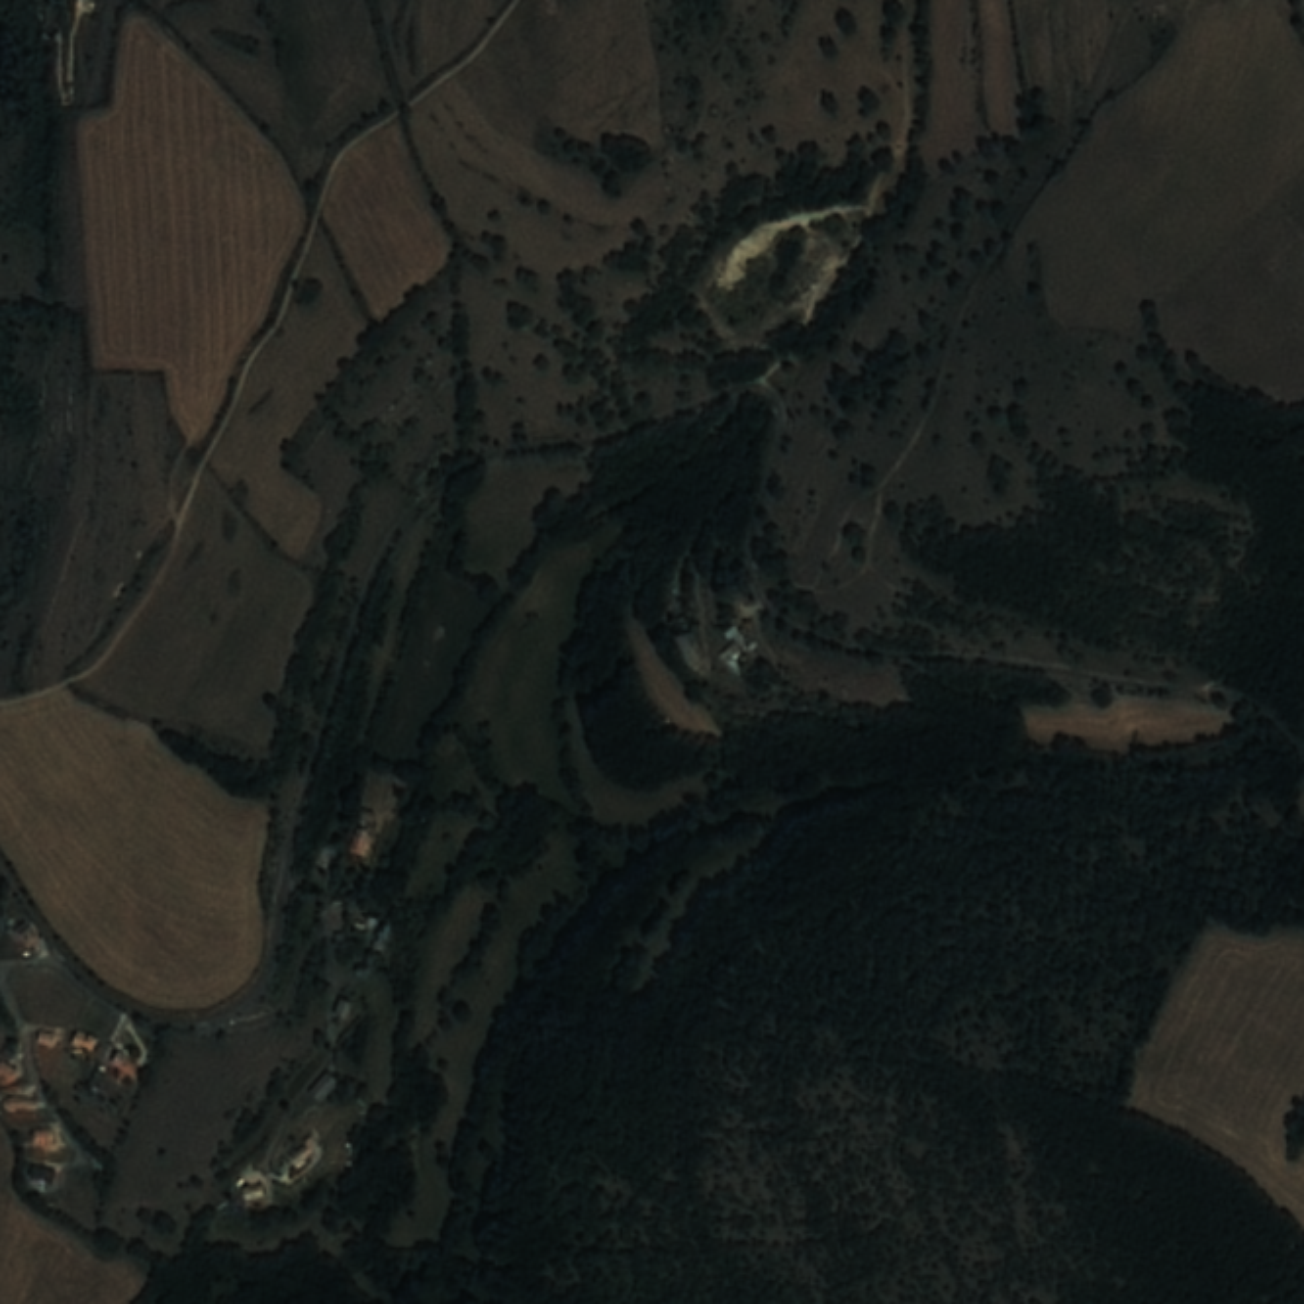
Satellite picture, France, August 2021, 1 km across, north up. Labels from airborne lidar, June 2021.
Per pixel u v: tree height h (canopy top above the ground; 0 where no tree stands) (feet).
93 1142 22
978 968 24
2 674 0
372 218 0
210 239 0
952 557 27
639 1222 24
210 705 0
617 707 68
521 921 0
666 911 32
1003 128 0
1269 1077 0
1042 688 27
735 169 30
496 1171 31
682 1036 22
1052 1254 19
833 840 63
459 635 0
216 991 0
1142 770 27
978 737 65
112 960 0
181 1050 0
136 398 0
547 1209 47
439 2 0
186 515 0
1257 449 35
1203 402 37
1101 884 25
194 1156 0
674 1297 31
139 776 0
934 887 27
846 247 23
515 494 0
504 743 0
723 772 22
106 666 0
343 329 0
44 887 0
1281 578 28
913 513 27
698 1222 24
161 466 0
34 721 0
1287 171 0
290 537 0
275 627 0
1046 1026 26
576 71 0
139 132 0
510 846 64
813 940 27
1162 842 23
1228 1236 40
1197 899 41
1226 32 0
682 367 27
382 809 0
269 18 21
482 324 0
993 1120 23
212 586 0
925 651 31
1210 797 39
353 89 0
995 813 37
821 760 57
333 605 29
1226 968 0
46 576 0
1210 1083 0
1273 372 0
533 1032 62
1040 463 27
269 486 0
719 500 29
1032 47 0
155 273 0
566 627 0
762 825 39
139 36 0
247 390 0
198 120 0
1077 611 20
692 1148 22
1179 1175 40
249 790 39
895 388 28
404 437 22
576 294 27
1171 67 0
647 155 30
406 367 0
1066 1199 26
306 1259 42
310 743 37
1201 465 33
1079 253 0
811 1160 18
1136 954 27
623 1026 51
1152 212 0
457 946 0
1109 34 0
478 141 0
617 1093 45
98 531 0
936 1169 17
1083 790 29
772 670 35
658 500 58
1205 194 0
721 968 32
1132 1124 37
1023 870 27
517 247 0
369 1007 22
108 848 0
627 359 29
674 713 0
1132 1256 27
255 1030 0
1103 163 0
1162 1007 37
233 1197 30
